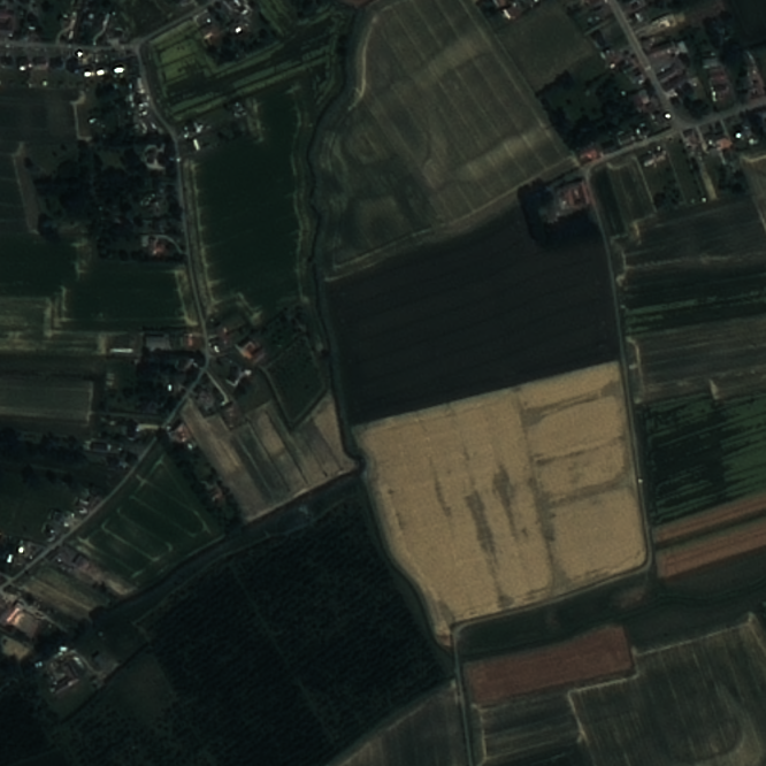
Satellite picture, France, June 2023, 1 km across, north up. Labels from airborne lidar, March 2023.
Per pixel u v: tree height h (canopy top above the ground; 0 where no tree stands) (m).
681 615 0
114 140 14
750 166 0
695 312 0
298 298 0
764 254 0
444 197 0
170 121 0
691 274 0
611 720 0
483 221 0
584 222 28
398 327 0
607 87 7
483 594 0
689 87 13
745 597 0
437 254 0
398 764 0
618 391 0
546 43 0
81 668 0
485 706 0
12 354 0
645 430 0
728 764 0
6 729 6
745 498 0
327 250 0
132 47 0
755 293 0
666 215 0
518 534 0
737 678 0
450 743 0
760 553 0
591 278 0
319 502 0
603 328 0
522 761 0
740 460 0
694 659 0
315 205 0
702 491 0
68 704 0
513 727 0
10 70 0
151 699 0
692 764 0
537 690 0
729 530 0
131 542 0
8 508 0
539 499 0
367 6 0
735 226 0
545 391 0
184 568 0
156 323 0
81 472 0
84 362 0
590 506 0
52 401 0
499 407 0
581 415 0
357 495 0
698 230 0
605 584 0
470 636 0
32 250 0
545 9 0
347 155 0
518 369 0
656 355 0
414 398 0
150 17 0
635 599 0
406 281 0
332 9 0
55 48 0
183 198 0
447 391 0
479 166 0
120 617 0
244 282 0
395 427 0
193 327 0
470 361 0
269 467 0
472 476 0
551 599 0
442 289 0
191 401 0
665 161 0
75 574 0
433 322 0
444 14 0
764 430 0
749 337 0
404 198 0
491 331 0
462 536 0
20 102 0
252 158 0
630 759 0
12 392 0
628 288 0
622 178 0
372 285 0
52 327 0
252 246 0
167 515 0
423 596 0
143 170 17
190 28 0
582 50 0
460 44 0
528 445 0
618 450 0
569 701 0
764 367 0
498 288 0
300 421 0
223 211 0
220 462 0
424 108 0
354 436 0
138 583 0
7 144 0
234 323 0
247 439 0
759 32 0
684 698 0
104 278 0
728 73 0
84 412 0
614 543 0
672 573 0
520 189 0
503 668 0
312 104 0
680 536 0
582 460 0
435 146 0
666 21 0
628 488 0
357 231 0
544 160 0
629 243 0
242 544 0
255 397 0
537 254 0
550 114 14
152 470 0
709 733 0
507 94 0
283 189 0
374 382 0
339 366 0
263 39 11
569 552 0
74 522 0
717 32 13
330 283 0
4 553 12
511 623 0
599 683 0
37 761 0
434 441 0
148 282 0
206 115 0
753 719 0
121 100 8
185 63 0
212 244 0
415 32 0
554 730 0
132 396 10
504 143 0
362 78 0
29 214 0
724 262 0
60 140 0
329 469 0
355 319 0
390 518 0
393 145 0
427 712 0
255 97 0
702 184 0
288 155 0
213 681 6
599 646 0
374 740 0
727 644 0
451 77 0
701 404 0
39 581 0
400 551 0
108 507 0
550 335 0
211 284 0
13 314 0
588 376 0
